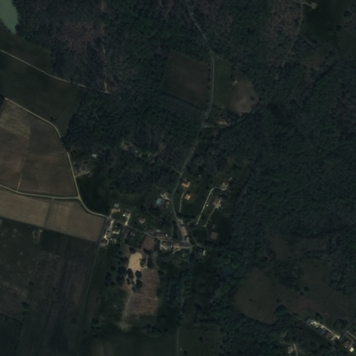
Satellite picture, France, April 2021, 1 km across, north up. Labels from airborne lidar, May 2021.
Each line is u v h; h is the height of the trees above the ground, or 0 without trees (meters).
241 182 0
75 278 0
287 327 19
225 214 15
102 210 0
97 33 9
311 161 15
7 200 0
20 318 0
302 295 13
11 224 0
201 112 16
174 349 0
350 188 19
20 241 0
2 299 0
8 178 0
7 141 0
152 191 10
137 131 16
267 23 13
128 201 0
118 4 23
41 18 17
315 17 0
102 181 0
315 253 6
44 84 0
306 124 11
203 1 24
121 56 17
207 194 0
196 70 0
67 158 0
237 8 20
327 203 23
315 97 24
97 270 0
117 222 0
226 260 21
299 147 22
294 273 0
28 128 0
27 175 0
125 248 0
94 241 0
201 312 22
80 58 10
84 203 0
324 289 0
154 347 0
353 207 13
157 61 20
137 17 12
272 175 27
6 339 0
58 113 0
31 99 0
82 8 10
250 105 0
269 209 11
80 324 0
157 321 0
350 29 7
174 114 18
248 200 16
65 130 0
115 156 15
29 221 0
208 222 0
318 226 10
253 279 0
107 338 0
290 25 12
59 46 9
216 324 12
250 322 11
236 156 19
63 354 0
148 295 0
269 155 17
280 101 15
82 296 0
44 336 0
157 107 19
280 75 18
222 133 17
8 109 0
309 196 23
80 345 0
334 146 20
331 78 21
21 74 0
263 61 9
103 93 19
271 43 13
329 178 17
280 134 17
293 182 22
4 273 0
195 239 9
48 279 0
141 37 12
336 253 17
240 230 16
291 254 0
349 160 16
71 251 0
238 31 13
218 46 20
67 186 0
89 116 21
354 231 12
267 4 14
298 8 10
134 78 14
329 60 19
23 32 22
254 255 13
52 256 0
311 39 0
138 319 0
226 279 14
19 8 17
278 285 0
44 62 0
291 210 14
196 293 16
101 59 9
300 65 18
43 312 0
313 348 14
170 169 18
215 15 12
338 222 12
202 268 0
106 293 0
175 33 22
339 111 15
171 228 15
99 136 25
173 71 0
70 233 0
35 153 0
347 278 18
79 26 7
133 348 0
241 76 0
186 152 14
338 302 0
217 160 21
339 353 9
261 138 25
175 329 0
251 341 19
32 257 0
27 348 0
